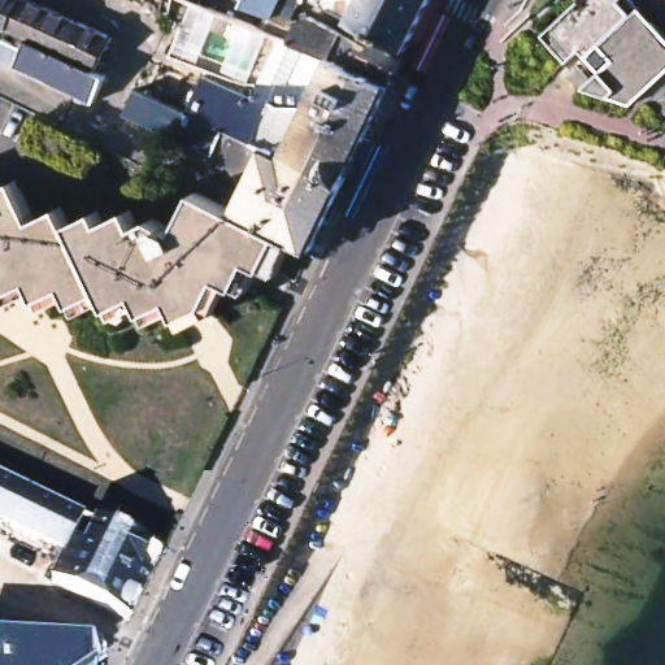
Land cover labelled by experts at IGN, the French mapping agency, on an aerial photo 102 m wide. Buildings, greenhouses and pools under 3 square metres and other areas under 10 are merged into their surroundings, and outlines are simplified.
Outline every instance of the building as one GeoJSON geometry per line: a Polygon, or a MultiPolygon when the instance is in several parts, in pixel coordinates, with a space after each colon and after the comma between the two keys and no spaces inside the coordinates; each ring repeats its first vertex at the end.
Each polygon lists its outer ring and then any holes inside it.
{"type": "Polygon", "coordinates": [[[96,75],[96,60],[107,55],[112,36],[101,29],[91,29],[83,21],[60,16],[47,5],[34,5],[29,0],[0,0],[0,42],[18,47],[16,70],[29,73],[60,91],[68,91],[68,104],[94,104],[101,86],[101,75],[96,75]]]}
{"type": "Polygon", "coordinates": [[[135,330],[148,327],[153,322],[169,327],[171,320],[182,314],[192,314],[195,320],[213,317],[210,309],[218,296],[242,296],[242,288],[234,283],[236,275],[268,281],[281,255],[301,252],[327,200],[327,187],[322,184],[320,166],[348,158],[364,122],[382,132],[390,130],[392,114],[400,112],[405,86],[397,81],[395,73],[403,52],[408,49],[429,8],[429,0],[234,0],[239,10],[260,16],[262,21],[268,21],[270,13],[278,18],[288,18],[288,39],[281,42],[278,36],[262,34],[244,21],[190,3],[182,10],[179,23],[174,23],[171,34],[151,34],[140,44],[140,49],[151,55],[148,65],[140,68],[125,83],[122,91],[109,96],[109,104],[117,107],[122,122],[148,130],[158,130],[171,122],[187,125],[187,119],[195,112],[210,119],[213,138],[208,143],[208,153],[195,166],[195,177],[200,179],[203,174],[218,171],[234,177],[239,184],[229,205],[210,205],[200,197],[184,197],[179,200],[169,226],[153,223],[151,229],[125,229],[119,218],[107,218],[101,223],[88,223],[86,218],[78,218],[68,226],[55,226],[52,216],[21,221],[8,190],[0,187],[0,309],[23,301],[34,312],[34,327],[42,325],[47,317],[55,320],[57,312],[73,312],[75,317],[88,312],[101,325],[119,325],[125,320],[132,322],[135,330]],[[351,52],[351,57],[356,60],[348,73],[327,62],[327,55],[335,47],[351,52]]]}
{"type": "Polygon", "coordinates": [[[0,462],[0,527],[13,530],[13,535],[21,543],[39,551],[60,546],[62,551],[55,561],[60,571],[78,574],[91,584],[107,587],[114,597],[122,595],[127,582],[148,582],[153,571],[148,540],[145,535],[130,530],[130,514],[117,512],[114,517],[109,517],[104,512],[86,509],[83,501],[0,462]]]}
{"type": "Polygon", "coordinates": [[[621,0],[587,0],[582,10],[566,8],[548,29],[538,34],[538,44],[558,60],[561,70],[582,73],[582,94],[613,107],[634,107],[639,101],[639,96],[652,83],[657,83],[665,75],[665,36],[639,10],[623,10],[621,0]]]}
{"type": "Polygon", "coordinates": [[[99,629],[94,623],[0,618],[0,665],[99,665],[101,660],[112,657],[112,647],[99,636],[99,629]]]}

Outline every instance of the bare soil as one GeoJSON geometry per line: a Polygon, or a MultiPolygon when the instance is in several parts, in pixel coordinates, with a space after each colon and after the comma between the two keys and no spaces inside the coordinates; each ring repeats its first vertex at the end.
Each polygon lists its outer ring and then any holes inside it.
{"type": "Polygon", "coordinates": [[[587,174],[584,169],[574,166],[569,153],[538,151],[535,145],[527,145],[527,122],[501,125],[486,138],[470,174],[465,177],[465,184],[460,187],[452,213],[439,231],[436,247],[423,273],[418,275],[418,283],[413,286],[413,294],[400,314],[400,322],[392,330],[384,356],[377,361],[377,369],[369,384],[364,387],[361,403],[351,423],[345,426],[317,483],[317,491],[312,494],[312,507],[301,517],[291,548],[278,551],[278,556],[273,558],[278,569],[260,605],[255,608],[260,616],[278,616],[288,595],[299,587],[299,579],[304,577],[307,566],[312,566],[322,577],[327,569],[335,569],[335,577],[325,595],[314,590],[309,605],[291,626],[278,655],[268,665],[530,665],[533,660],[548,657],[553,652],[561,629],[569,618],[569,610],[577,616],[579,605],[592,608],[590,597],[584,597],[577,587],[566,584],[564,579],[558,579],[579,530],[587,520],[592,525],[608,522],[610,509],[621,501],[621,496],[631,494],[634,486],[642,481],[642,473],[649,462],[649,449],[657,447],[665,436],[665,195],[657,195],[655,187],[639,177],[613,174],[608,169],[587,174]]]}

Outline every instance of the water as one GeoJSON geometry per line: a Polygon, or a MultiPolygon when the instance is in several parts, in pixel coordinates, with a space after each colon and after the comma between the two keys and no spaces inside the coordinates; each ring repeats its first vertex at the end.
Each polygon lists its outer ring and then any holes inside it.
{"type": "Polygon", "coordinates": [[[590,597],[592,608],[579,605],[577,616],[569,610],[569,618],[561,629],[553,652],[548,657],[533,660],[530,665],[665,665],[665,436],[657,447],[649,449],[649,462],[642,473],[642,481],[634,486],[631,494],[621,496],[621,501],[610,509],[608,522],[592,525],[587,520],[579,530],[558,579],[564,579],[566,584],[577,587],[584,597],[590,597]]]}

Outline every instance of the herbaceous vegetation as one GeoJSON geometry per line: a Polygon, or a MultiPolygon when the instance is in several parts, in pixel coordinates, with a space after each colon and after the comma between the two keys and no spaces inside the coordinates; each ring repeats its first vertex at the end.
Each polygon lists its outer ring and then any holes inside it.
{"type": "Polygon", "coordinates": [[[86,457],[91,457],[94,452],[83,442],[47,364],[42,364],[39,358],[29,358],[21,366],[0,366],[0,413],[52,436],[55,442],[86,457]],[[16,379],[18,369],[26,369],[31,374],[36,397],[8,397],[8,387],[16,379]]]}
{"type": "Polygon", "coordinates": [[[244,304],[239,309],[239,320],[234,320],[226,327],[231,335],[229,366],[236,382],[242,382],[252,371],[278,317],[275,304],[270,309],[257,309],[252,304],[244,304]]]}
{"type": "Polygon", "coordinates": [[[169,358],[158,348],[158,343],[143,343],[140,338],[132,351],[119,356],[130,361],[169,358]]]}
{"type": "Polygon", "coordinates": [[[130,530],[145,535],[148,540],[158,538],[164,543],[171,538],[177,512],[169,499],[164,499],[161,504],[148,501],[132,494],[122,481],[109,481],[99,473],[91,473],[49,452],[47,447],[0,426],[0,462],[83,501],[86,509],[104,512],[109,517],[114,517],[117,512],[130,514],[130,530]]]}
{"type": "Polygon", "coordinates": [[[65,361],[99,429],[117,449],[117,455],[130,465],[130,470],[156,470],[161,491],[177,488],[184,496],[195,494],[197,481],[205,473],[210,449],[216,439],[223,434],[226,413],[231,410],[213,374],[203,369],[197,361],[179,369],[143,371],[96,366],[68,356],[65,361]]]}

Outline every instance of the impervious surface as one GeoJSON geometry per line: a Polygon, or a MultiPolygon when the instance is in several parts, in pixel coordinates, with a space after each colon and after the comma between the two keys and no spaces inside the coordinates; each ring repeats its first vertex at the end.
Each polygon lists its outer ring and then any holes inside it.
{"type": "Polygon", "coordinates": [[[351,57],[351,52],[335,47],[327,55],[327,62],[348,73],[356,60],[351,57]]]}
{"type": "Polygon", "coordinates": [[[174,171],[174,184],[161,197],[135,200],[122,195],[122,184],[130,182],[125,158],[138,151],[138,143],[148,135],[148,130],[122,122],[117,107],[109,104],[109,96],[122,91],[125,83],[140,68],[148,65],[151,55],[140,49],[140,44],[151,34],[171,34],[174,23],[179,23],[182,10],[190,3],[244,21],[262,34],[278,36],[281,42],[288,39],[288,18],[278,18],[270,13],[268,21],[262,21],[260,16],[239,10],[234,0],[29,0],[34,5],[47,5],[60,16],[83,21],[91,29],[101,29],[112,36],[107,55],[96,60],[96,75],[101,75],[101,86],[94,104],[68,104],[68,91],[60,91],[29,73],[16,70],[18,47],[0,42],[0,187],[8,190],[21,221],[52,216],[55,226],[68,226],[78,218],[86,218],[88,223],[101,223],[107,218],[119,218],[125,229],[151,229],[153,223],[169,226],[179,200],[184,197],[200,197],[210,205],[229,205],[239,184],[234,177],[218,171],[203,174],[200,179],[195,177],[195,166],[208,153],[208,143],[213,138],[210,119],[195,112],[187,119],[187,125],[171,122],[158,130],[164,145],[179,148],[179,156],[169,161],[174,171]],[[49,125],[52,130],[86,145],[91,153],[99,156],[99,164],[91,164],[81,179],[73,179],[34,158],[18,156],[10,148],[21,140],[16,135],[16,125],[23,125],[26,119],[49,125]]]}
{"type": "Polygon", "coordinates": [[[623,10],[639,10],[665,36],[665,0],[621,0],[623,10]]]}
{"type": "Polygon", "coordinates": [[[647,104],[655,117],[665,114],[665,75],[657,83],[652,83],[639,96],[639,101],[647,104]]]}
{"type": "Polygon", "coordinates": [[[603,132],[621,132],[642,145],[665,148],[665,135],[647,132],[631,119],[613,119],[600,112],[574,107],[574,94],[582,94],[582,73],[561,70],[558,78],[540,96],[512,96],[507,91],[507,47],[520,31],[530,29],[533,0],[429,0],[429,8],[408,49],[403,52],[395,73],[397,81],[405,86],[400,112],[392,114],[390,130],[382,132],[364,122],[348,158],[320,166],[322,184],[327,187],[327,200],[301,252],[281,255],[268,281],[236,275],[234,283],[242,288],[242,296],[218,296],[210,309],[213,317],[195,320],[192,314],[182,314],[171,320],[169,327],[171,333],[182,333],[187,345],[192,348],[184,356],[169,358],[130,361],[119,356],[99,356],[81,351],[68,330],[68,325],[75,317],[73,312],[57,312],[55,320],[47,317],[42,325],[34,327],[34,312],[23,301],[0,309],[0,366],[21,366],[29,358],[39,358],[42,364],[47,364],[83,442],[94,452],[91,457],[86,457],[55,442],[52,436],[0,413],[0,426],[47,447],[49,452],[91,473],[99,473],[109,481],[122,481],[132,494],[148,501],[161,504],[164,499],[169,499],[177,512],[171,538],[164,543],[158,538],[148,540],[153,571],[148,582],[127,582],[122,595],[114,597],[107,587],[91,584],[78,574],[60,571],[55,561],[62,551],[60,546],[39,551],[21,543],[13,535],[13,530],[0,527],[0,618],[94,623],[99,629],[99,636],[112,647],[112,657],[101,660],[99,665],[268,665],[278,655],[291,626],[309,605],[314,590],[325,595],[335,577],[335,569],[327,569],[322,577],[312,566],[307,566],[304,577],[299,579],[299,587],[288,595],[278,616],[260,616],[255,608],[260,605],[278,569],[273,558],[278,556],[278,551],[291,548],[301,517],[312,507],[312,494],[317,491],[317,483],[345,426],[351,423],[361,403],[364,387],[369,384],[377,369],[377,361],[384,356],[392,330],[400,322],[400,314],[413,294],[413,286],[418,283],[418,275],[423,273],[436,247],[439,231],[452,213],[460,187],[465,184],[465,177],[470,174],[486,138],[501,125],[527,122],[527,145],[535,145],[538,151],[569,153],[574,166],[584,169],[587,174],[608,169],[613,174],[639,177],[655,187],[657,195],[665,195],[665,166],[657,169],[618,151],[600,148],[597,143],[564,138],[556,132],[566,119],[577,119],[603,132]],[[475,57],[483,49],[488,49],[488,55],[496,60],[491,104],[486,109],[475,109],[473,104],[457,104],[460,91],[468,88],[468,81],[473,75],[475,57]],[[239,320],[239,309],[244,304],[252,304],[257,309],[270,309],[275,304],[278,317],[252,371],[242,382],[236,382],[229,366],[231,335],[226,327],[234,320],[239,320]],[[179,369],[197,361],[203,369],[213,374],[231,410],[226,413],[223,434],[216,439],[210,449],[205,473],[197,481],[195,494],[184,496],[177,488],[161,491],[156,470],[130,470],[130,465],[117,455],[117,449],[99,429],[65,361],[68,356],[96,366],[143,371],[179,369]]]}

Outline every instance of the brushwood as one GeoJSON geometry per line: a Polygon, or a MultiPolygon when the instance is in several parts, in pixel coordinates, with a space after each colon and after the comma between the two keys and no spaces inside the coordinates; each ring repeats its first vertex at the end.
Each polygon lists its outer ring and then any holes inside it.
{"type": "Polygon", "coordinates": [[[8,397],[36,397],[31,374],[26,369],[18,369],[16,379],[8,387],[8,397]]]}
{"type": "Polygon", "coordinates": [[[52,130],[49,125],[26,119],[23,125],[16,125],[16,135],[21,140],[10,148],[18,156],[34,158],[73,179],[81,179],[91,164],[99,164],[99,156],[91,153],[86,145],[52,130]]]}
{"type": "Polygon", "coordinates": [[[647,104],[639,101],[634,107],[613,107],[582,94],[574,94],[574,107],[600,112],[613,119],[631,119],[647,132],[665,135],[665,114],[655,117],[647,104]]]}
{"type": "Polygon", "coordinates": [[[566,119],[556,132],[564,138],[597,143],[600,148],[618,151],[657,169],[665,166],[665,148],[642,145],[621,132],[603,132],[577,119],[566,119]]]}
{"type": "Polygon", "coordinates": [[[561,70],[558,60],[538,44],[538,34],[548,29],[566,8],[582,10],[587,0],[533,0],[530,29],[520,31],[507,47],[507,91],[512,96],[540,96],[558,78],[561,70]]]}
{"type": "Polygon", "coordinates": [[[122,184],[122,195],[135,200],[161,197],[174,184],[174,171],[169,161],[179,156],[179,148],[164,145],[158,130],[148,130],[148,135],[138,143],[138,151],[125,158],[130,182],[122,184]]]}
{"type": "Polygon", "coordinates": [[[491,104],[496,60],[488,55],[488,49],[483,49],[475,57],[473,75],[468,81],[468,88],[460,91],[457,104],[473,104],[475,109],[486,109],[491,104]]]}
{"type": "Polygon", "coordinates": [[[68,330],[81,351],[99,356],[119,356],[132,351],[140,338],[143,343],[158,343],[158,348],[169,358],[184,356],[192,348],[187,345],[182,333],[171,333],[169,327],[153,322],[148,327],[135,330],[132,322],[125,320],[119,325],[101,325],[88,312],[75,317],[68,325],[68,330]]]}

